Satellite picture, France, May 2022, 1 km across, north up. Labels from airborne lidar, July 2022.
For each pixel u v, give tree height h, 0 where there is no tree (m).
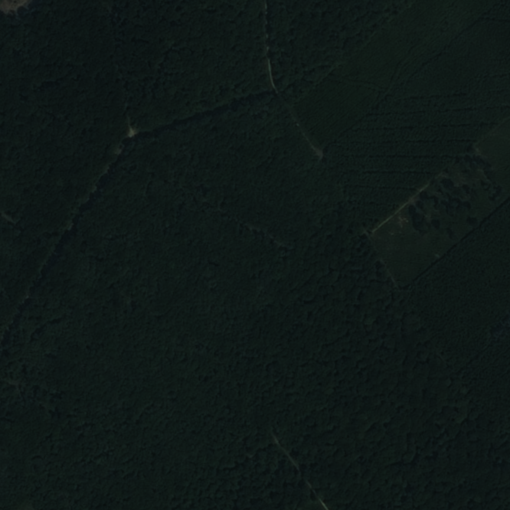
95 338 24
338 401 26
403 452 22
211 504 28
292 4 28
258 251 28
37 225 32
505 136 0
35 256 27
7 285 29
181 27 32
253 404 21
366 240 27
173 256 25
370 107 9
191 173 26
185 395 23
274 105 28
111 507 25
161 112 28
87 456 27
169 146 28
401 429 27
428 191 0
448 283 14
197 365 23
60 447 26
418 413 30
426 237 0
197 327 27
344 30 25
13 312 24
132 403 21
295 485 24
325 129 7
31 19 30
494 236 15
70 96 31
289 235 27
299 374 25
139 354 22
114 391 28
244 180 27
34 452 25
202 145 30
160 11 33
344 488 30
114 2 30
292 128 28
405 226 0
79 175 32
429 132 18
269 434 23
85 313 26
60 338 27
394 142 16
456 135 19
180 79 31
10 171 28
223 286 25
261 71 22
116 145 26
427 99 17
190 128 31
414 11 10
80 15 32
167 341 24
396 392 22
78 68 33
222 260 23
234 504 22
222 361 24
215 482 26
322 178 25
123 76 30
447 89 18
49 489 22
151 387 27
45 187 29
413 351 31
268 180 31
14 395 20
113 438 24
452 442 32
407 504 32
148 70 28
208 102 31
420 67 10
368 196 21
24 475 27
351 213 26
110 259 24
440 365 26
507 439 17
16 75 32
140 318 27
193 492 22
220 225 26
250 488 20
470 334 14
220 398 22
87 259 26
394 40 9
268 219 24
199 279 23
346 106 9
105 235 19
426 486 29
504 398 18
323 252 21
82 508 30
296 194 26
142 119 31
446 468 30
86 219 24
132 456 21
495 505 30
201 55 32
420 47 8
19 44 25
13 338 21
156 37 33
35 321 21
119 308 25
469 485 24
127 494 27
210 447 24
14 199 24
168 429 21
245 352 23
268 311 26
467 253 14
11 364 25
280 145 27
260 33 22
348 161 18
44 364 27
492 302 15
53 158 32
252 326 21
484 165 29
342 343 29
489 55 20
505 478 31
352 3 25
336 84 8
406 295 13
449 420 31
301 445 26
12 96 33
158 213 24
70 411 26
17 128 33
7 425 31
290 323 22
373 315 26
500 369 19
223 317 28
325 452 28
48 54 34
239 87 23
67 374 28
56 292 24
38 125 27
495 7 14
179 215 26
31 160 31
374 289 32
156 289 26
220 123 29
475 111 18
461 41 18
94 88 31
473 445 32
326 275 27
